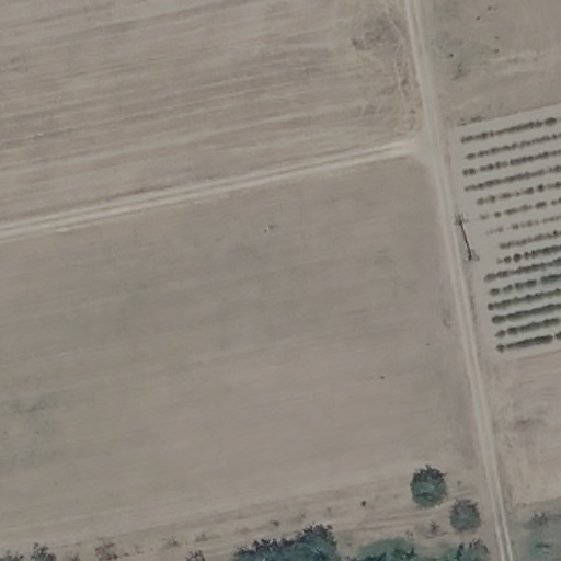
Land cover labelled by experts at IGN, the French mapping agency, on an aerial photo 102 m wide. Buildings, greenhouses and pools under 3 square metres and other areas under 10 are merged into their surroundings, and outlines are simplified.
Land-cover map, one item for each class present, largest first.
<instances>
[{"label":"agricultural land","instance_id":"1","mask_svg":"<svg viewBox=\"0 0 561 561\"><path fill-rule=\"evenodd\" d=\"M423 101L410 48V35L405 26L403 0H0V224L94 206L103 202H116L142 193L178 188L206 180L243 175L259 169L294 164L311 158L337 156L353 149L408 138L412 131H419L423 127ZM423 37L434 77V94L438 101L440 140L451 188V204L460 234V248L465 252L462 272L469 294L478 362L484 375V392L491 412L495 456L500 454L504 458L508 480L513 486L515 502H543L561 497V340L517 351H497V344L519 342L561 331V324L513 333L504 337H497V331L550 318H561V311L526 316L506 322H493V316H506L524 309H537L543 305L561 302V296L519 302L504 309H489V302L530 296L539 291H552L561 287V281L495 296H491V289L522 281L543 278L550 274H561V265L506 276L497 281H486V274L561 259V252L522 259L515 263H497V259L548 245H561V237L515 245L506 250L500 248V243L561 230V221L519 230L511 228L506 232L491 237L486 234V230L528 219H543L561 213V188L533 193L524 197H511L482 206H478V197L530 188L537 184L561 182V173L530 178L513 184H500L471 193L467 191V184H478L495 178L561 164V156L484 171L476 175H462V171L491 162L561 149V140L484 156L476 160H467V153L561 131V123L476 142H462V136L561 116V0H419ZM537 202H546V208L480 221L482 213H495ZM423 469L440 471L445 482L462 480L465 484L476 486L486 480V473L480 458L478 432L471 410V386L462 359L460 331L454 316V296L445 263V245L438 226L436 191L430 184L427 167L416 162L414 156H397L388 160L348 167L340 178L311 175L302 180L232 191L228 195H219L217 199L199 204L195 199L175 202L158 206L151 215H145L134 221L103 224L68 232H35L22 241L0 243V561H55V554L50 552L57 546L75 543L88 537L112 539L121 533H136L145 528L167 526L173 522L199 519L210 513L237 508L241 511L243 506L270 500H285L318 491H335L379 478L405 476L412 482L414 473Z\"/></svg>","mask_w":561,"mask_h":561},{"label":"herbaceous vegetation","instance_id":"2","mask_svg":"<svg viewBox=\"0 0 561 561\"><path fill-rule=\"evenodd\" d=\"M478 495L476 486L465 484L462 480L445 482V497L438 504L421 506L412 497V482L405 476L379 478L335 491H318L285 500H270L243 506L241 511L237 508L210 513L199 519L173 522L167 526L145 528L136 533H121L112 539L88 537L75 543L57 546L50 552L55 554V561H234V552L250 550L256 541L296 539L307 528L316 526H324L327 530H331L337 554L344 561H351L394 550V539H403L405 543L414 546L416 554L408 561H456V548L473 541H482L489 548V561H500L493 524L480 517V526L473 530L458 533L451 526V506L465 500L471 502ZM500 486L515 561H561V497L543 502H515L513 486L508 480Z\"/></svg>","mask_w":561,"mask_h":561},{"label":"pervious surface","instance_id":"3","mask_svg":"<svg viewBox=\"0 0 561 561\"><path fill-rule=\"evenodd\" d=\"M405 26L410 35V48L423 101V127L419 131H412L408 138L353 149L337 156L311 158L294 164L259 169L243 175L206 180L178 188L142 193L116 202H103L94 206L0 224V243L22 241L35 232H68L103 224L134 221L145 215H151L158 206L175 202L195 199L199 204L217 199L219 195H228L232 191L302 180L311 175L340 178L348 167L388 160L397 156H414L416 162L427 167L430 184L436 191L438 226L445 245V263L454 296V316L460 331L462 359L471 386V410L478 432L480 458L486 473V480L476 486L478 495L471 502L478 506L480 517L493 524L500 561H515L500 486L508 480L504 458L500 454L495 456L491 412L484 392V375L478 362L469 294L462 272L465 252L460 248V234L451 204V188L440 140L438 101L434 94V77L423 37L419 0H403Z\"/></svg>","mask_w":561,"mask_h":561},{"label":"brushwood","instance_id":"4","mask_svg":"<svg viewBox=\"0 0 561 561\"><path fill-rule=\"evenodd\" d=\"M561 123V116L462 136V142H476ZM561 140V131L467 153V160H476L484 156ZM561 156V149L491 162L462 171V175H476L484 171ZM561 173V164L495 178L478 184H467V191L471 193L500 184H513L530 178ZM561 188V182L537 184L530 188L478 197V206H482L511 197H524L533 193ZM546 208V202H537L495 213H482L480 221ZM561 221V213L543 219H528L486 230V234L491 237L506 232L511 228L519 230ZM561 237V230L500 243V248L506 250L515 245ZM561 252V245H548L497 259V263H515L522 259ZM561 265V259L486 274V281H497L506 276ZM561 281V274H550L543 278L522 281L491 289V296H495ZM561 296V287L552 291H539L530 296L489 302V309H504L519 302ZM561 311V302L543 305L537 309H524L506 316H493V322H506L526 316ZM561 324V318H550L497 331V337H504L513 333ZM561 340V331L519 342L497 344V351H517Z\"/></svg>","mask_w":561,"mask_h":561},{"label":"deciduous trees","instance_id":"5","mask_svg":"<svg viewBox=\"0 0 561 561\"><path fill-rule=\"evenodd\" d=\"M412 497L421 506L438 504L445 497V482L440 471L423 469L414 473L412 482ZM451 526L458 533L473 530L480 526V517L478 506L471 502L465 500L451 506ZM234 561H344L337 554L331 530H327L324 526H316L307 528L296 539L256 541L250 550L234 552ZM394 550L351 561H408L416 554L414 546L405 543L403 539H394ZM456 561H489V548L482 541H473L456 548Z\"/></svg>","mask_w":561,"mask_h":561}]
</instances>
